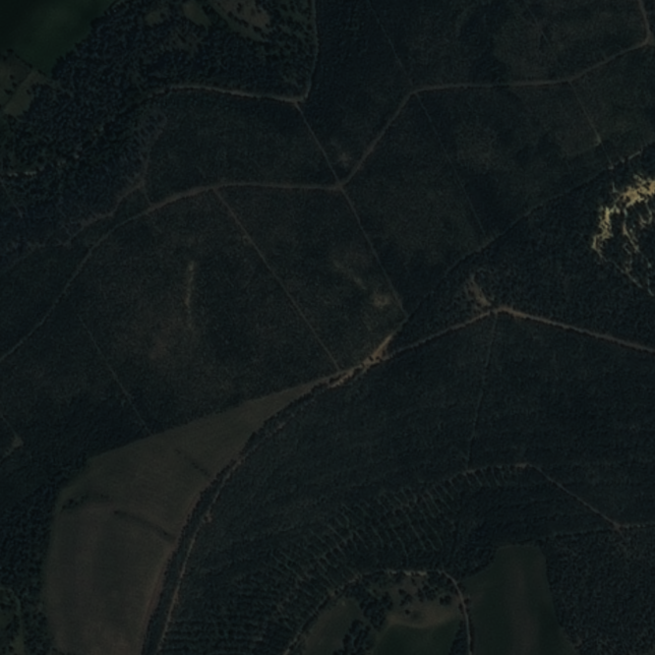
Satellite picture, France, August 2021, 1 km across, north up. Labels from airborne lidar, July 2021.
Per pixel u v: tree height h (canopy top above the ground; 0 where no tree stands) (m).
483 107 6
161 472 0
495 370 7
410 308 9
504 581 0
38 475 13
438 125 6
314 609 13
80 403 8
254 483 6
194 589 6
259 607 11
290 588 11
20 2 0
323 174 7
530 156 6
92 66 17
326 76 8
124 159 15
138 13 11
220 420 0
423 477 10
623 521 8
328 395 8
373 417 8
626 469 10
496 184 8
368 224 7
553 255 7
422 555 11
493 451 8
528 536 12
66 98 13
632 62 7
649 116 6
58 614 0
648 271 9
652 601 7
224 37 15
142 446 0
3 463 7
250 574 8
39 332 6
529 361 9
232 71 14
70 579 0
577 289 6
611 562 6
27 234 11
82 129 8
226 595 10
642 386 9
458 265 8
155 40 11
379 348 0
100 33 11
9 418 6
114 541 0
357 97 6
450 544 15
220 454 0
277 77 14
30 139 16
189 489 0
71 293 6
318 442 9
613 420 12
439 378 9
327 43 11
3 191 7
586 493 10
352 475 9
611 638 8
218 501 8
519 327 7
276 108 8
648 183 7
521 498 13
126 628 0
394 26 8
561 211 9
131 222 6
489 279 9
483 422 9
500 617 0
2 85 0
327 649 0
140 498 0
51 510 17
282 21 16
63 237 9
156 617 8
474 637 9
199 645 8
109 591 0
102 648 0
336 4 9
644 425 8
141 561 0
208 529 7
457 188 6
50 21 0
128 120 15
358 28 13
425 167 7
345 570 13
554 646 0
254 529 8
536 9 6
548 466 9
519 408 6
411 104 7
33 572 11
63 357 6
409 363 12
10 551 18
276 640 16
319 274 6
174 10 12
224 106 7
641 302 8
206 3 17
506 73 9
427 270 6
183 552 6
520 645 0
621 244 7
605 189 8
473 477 12
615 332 7
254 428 0
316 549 12
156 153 6
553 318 7
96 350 6
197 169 5
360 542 15
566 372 9
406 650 0
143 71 12
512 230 10
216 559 8
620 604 9
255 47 18
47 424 7
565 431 9
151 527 0
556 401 10
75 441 7
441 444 8
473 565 5
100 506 0
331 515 7
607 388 10
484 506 16
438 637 0
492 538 16
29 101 0
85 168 15
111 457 0
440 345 9
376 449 8
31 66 10
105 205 11
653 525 10
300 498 8
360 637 13
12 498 9
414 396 8
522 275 6
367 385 7
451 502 16
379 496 8
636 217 9
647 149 10
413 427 7
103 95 12
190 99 6
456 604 0
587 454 11
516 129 7
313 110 13
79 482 0
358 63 12
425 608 0
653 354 7
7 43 0
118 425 6
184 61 22
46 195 9
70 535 0
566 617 7
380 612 12
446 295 9
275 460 7
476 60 6
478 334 7
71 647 0
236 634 8
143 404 6
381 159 6
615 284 9
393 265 7
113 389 6
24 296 6
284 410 6
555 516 7
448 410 8
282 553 8
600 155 6
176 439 0
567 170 6
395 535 13
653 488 10
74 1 0
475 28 11
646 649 10
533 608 0
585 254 7
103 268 5
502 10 9
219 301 6
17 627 8
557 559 6
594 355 9
